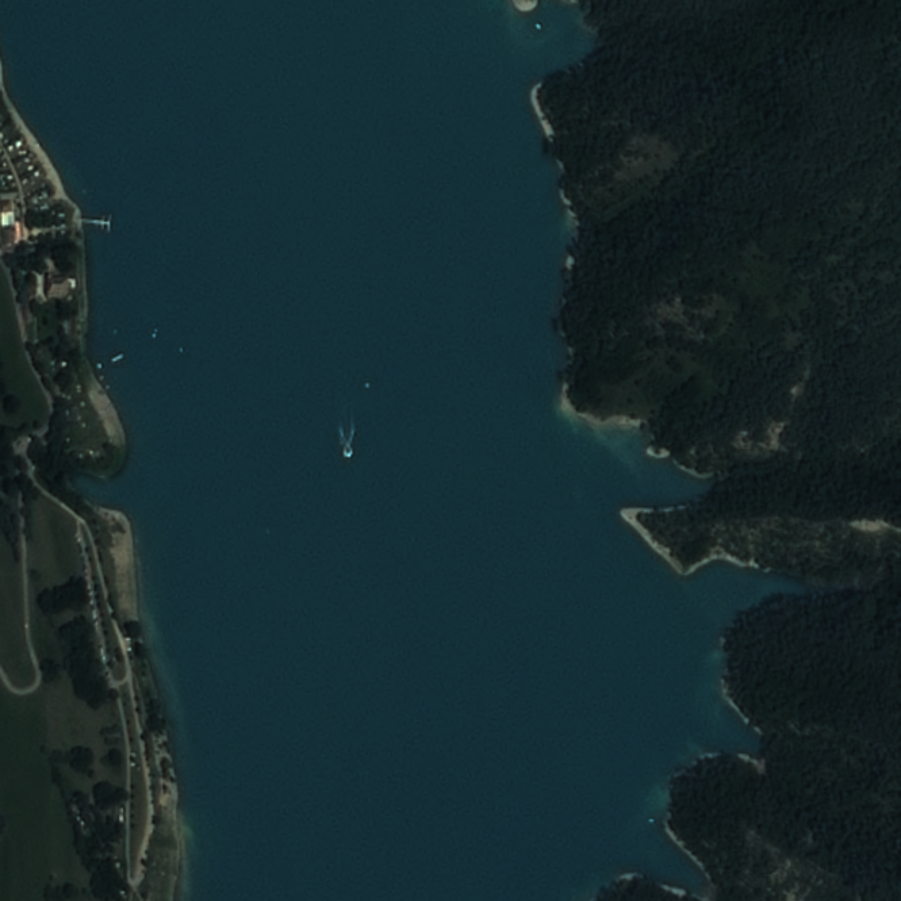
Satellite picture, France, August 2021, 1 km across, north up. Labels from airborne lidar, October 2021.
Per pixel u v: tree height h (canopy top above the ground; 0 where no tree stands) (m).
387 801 0
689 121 9
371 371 0
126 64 0
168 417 0
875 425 10
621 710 0
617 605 0
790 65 13
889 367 9
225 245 0
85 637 19
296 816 0
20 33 0
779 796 10
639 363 7
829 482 19
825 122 10
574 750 0
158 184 0
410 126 0
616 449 0
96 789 11
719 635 0
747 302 10
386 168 0
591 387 15
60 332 8
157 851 0
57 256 15
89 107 0
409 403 0
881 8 20
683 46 19
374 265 0
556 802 0
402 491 0
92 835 9
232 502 0
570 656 0
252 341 0
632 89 9
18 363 0
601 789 0
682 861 0
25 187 0
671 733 0
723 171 19
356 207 0
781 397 7
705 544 7
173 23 0
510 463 0
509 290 0
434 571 0
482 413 0
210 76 0
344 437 0
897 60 10
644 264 8
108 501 0
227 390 0
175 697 0
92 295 0
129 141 0
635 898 12
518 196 0
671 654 0
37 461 17
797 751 6
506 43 0
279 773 0
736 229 14
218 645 0
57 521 0
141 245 0
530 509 0
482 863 0
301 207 0
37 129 0
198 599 0
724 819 9
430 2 0
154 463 0
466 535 0
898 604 14
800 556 8
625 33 13
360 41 0
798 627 9
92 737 0
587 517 0
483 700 0
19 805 0
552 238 0
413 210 0
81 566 0
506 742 0
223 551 0
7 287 0
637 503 0
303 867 0
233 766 0
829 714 7
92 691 15
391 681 0
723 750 0
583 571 0
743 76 17
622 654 0
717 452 9
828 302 9
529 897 0
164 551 0
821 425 9
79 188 0
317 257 0
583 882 0
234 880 0
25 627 0
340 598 0
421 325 0
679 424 8
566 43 0
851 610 9
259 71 0
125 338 0
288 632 0
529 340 0
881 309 7
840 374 12
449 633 0
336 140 0
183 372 0
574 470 0
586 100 6
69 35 0
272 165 0
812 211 8
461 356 0
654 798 0
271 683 0
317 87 0
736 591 0
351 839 0
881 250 7
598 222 10
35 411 0
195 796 0
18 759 0
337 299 0
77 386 0
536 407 0
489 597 0
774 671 9
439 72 0
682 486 0
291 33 0
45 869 0
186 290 0
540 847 0
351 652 0
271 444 0
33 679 0
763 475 7
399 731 0
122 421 0
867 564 9
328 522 0
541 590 0
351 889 0
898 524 8
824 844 11
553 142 8
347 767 0
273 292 0
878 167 7
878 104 8
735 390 14
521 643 0
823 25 19
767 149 13
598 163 6
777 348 7
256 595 0
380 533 0
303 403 0
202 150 0
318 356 0
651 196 8
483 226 0
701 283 8
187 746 0
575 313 12
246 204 0
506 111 0
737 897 8
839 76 9
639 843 0
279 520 0
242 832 0
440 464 0
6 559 0
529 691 0
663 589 0
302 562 0
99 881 12
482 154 0
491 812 0
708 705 0
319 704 0
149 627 0
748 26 14
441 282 0
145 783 0
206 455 0
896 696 10
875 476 14
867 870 12
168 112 0
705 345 11
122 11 0
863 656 10
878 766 8
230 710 0
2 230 0
